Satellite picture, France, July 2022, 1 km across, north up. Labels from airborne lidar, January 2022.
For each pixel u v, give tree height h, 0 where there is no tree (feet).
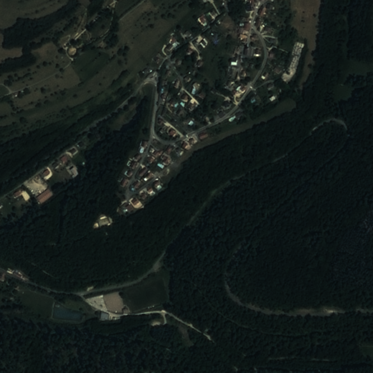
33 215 78
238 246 53
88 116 44
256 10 0
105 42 22
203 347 87
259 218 81
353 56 54
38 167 55
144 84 0
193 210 70
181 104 0
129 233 66
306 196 105
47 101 27
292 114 47
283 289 78
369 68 0
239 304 59
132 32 0
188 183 72
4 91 0
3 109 0
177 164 0
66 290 69
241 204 79
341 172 72
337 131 55
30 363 73
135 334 95
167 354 51
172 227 74
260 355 88
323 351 88
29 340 101
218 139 0
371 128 73
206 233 58
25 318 0
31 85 0
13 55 0
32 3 0
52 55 0
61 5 0
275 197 61
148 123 0
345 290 82
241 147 86
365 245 70
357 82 91
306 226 87
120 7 0
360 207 97
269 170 31
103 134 49
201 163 63
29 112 0
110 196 49
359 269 84
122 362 107
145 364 111
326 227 62
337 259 66
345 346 69
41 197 0
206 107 41
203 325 85
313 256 79
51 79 0
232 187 50
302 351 61
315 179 97
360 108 79
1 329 89
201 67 21
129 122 0
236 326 74
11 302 41
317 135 72
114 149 80
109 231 56
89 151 28
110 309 0
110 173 75
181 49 27
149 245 84
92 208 72
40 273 62
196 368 88
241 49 0
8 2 0
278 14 24
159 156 0
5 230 79
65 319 0
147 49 0
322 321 99
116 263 67
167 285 0
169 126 0
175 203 74
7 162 34
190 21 0
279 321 86
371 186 73
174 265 93
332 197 43
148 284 0
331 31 94
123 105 0
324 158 78
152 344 27
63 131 19
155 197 32
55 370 96
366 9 95
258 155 77
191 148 0
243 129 0
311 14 0
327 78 86
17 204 0
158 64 0
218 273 75
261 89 0
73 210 81
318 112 73
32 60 71
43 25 22
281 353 83
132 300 0
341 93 0
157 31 0
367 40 64
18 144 72
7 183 44
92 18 0
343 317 77
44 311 0
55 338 123
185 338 0
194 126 19
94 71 0
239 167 76
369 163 63
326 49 74
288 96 47
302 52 22
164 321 0
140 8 0
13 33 55
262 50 0
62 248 59
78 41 33
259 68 44
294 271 68
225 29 0
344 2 80
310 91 77
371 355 0
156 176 0
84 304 0
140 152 0
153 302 0
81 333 92
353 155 92
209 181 88
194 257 79
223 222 58
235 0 28
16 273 0
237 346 70
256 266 71
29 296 0
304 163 73
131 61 0
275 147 90
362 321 114
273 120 49
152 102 0
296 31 28
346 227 65
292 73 0
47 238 63
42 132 23
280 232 73
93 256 55
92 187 92
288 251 90
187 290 70
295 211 72
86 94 0
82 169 85
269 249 76
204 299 79
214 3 0
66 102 0
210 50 0
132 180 0
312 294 67
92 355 107
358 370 100
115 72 0
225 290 67
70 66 0
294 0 0
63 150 69
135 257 73
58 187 65
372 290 52
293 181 83
